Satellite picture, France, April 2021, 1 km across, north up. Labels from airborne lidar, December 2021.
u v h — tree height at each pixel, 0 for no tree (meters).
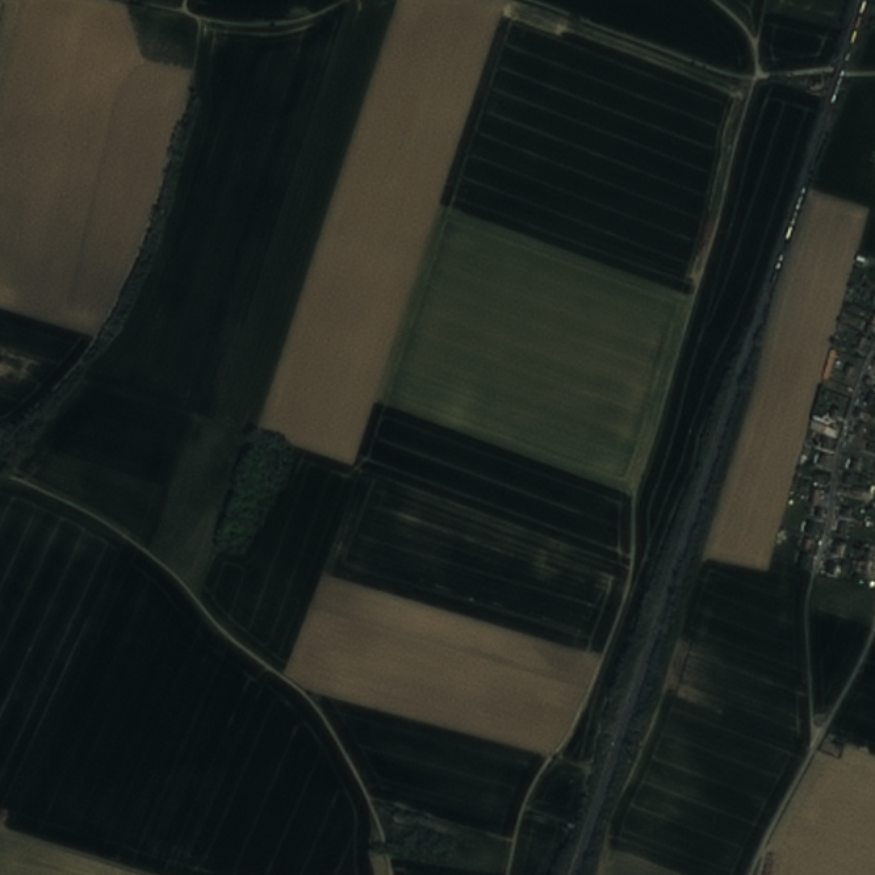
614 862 0
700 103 0
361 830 0
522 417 0
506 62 0
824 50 0
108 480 0
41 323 0
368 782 0
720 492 0
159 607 0
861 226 0
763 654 0
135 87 0
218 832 0
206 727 0
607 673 0
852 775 0
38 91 0
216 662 0
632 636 12
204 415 0
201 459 0
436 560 0
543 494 0
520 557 0
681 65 0
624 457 0
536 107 0
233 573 0
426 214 0
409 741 0
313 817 0
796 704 0
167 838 0
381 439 0
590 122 0
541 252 0
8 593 0
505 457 0
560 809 0
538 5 0
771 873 0
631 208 0
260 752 0
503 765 0
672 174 0
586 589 0
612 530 0
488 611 0
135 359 0
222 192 0
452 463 0
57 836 0
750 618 0
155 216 11
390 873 0
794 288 0
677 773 0
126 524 0
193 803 0
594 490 0
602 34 0
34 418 8
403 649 0
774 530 0
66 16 0
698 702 0
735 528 0
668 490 0
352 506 0
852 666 0
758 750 0
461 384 0
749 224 0
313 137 0
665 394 0
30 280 0
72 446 0
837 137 0
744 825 0
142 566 0
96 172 0
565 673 0
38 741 0
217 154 0
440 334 0
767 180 0
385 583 0
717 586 0
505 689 0
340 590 0
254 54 0
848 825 0
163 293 0
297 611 0
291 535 0
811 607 0
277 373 0
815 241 0
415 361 0
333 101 0
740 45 0
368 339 0
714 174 0
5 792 0
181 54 0
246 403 0
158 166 0
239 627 0
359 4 0
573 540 0
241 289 0
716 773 0
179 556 0
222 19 0
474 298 0
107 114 0
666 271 0
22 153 0
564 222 0
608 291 0
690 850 0
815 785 0
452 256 0
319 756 0
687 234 0
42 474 0
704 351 0
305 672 0
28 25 0
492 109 0
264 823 0
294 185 0
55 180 0
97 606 0
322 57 0
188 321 0
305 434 0
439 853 6
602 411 0
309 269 0
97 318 0
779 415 0
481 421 0
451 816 0
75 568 0
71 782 0
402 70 0
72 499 0
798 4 0
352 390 0
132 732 0
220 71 0
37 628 0
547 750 0
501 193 0
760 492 0
